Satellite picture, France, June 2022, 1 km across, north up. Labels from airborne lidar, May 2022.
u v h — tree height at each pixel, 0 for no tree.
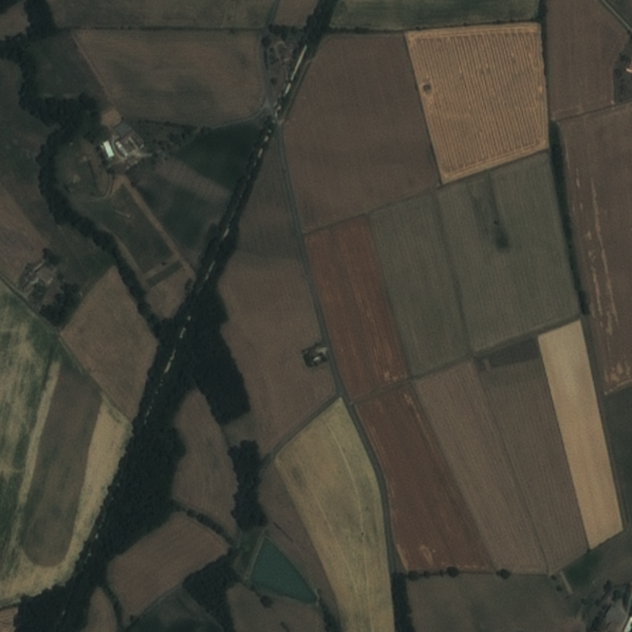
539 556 0
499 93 0
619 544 0
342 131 0
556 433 0
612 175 0
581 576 0
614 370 0
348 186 0
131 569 0
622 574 0
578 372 0
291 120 0
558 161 14
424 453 0
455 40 0
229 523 0
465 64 0
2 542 0
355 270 0
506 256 0
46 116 20
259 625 0
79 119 22
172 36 0
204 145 0
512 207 0
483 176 0
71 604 13
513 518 0
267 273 0
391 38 0
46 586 0
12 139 0
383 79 0
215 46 0
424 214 0
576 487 0
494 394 0
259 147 11
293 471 0
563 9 0
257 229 0
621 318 0
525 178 0
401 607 16
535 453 0
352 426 0
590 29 0
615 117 0
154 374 13
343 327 0
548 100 0
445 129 0
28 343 0
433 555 0
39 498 0
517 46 0
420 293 0
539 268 0
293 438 0
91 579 16
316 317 0
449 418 0
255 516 15
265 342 0
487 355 0
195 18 0
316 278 0
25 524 0
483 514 0
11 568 0
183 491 0
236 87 0
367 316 0
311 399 0
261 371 0
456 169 0
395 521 0
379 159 0
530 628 0
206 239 0
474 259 0
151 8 0
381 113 0
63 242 0
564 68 0
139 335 0
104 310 0
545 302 0
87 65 0
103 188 0
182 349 15
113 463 0
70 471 0
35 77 9
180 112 0
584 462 0
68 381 0
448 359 0
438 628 0
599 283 0
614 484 0
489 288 0
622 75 9
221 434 0
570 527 0
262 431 0
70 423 0
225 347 15
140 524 26
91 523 0
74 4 0
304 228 0
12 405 0
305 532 0
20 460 0
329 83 0
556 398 0
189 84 0
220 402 18
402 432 0
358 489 0
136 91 0
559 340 0
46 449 0
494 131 0
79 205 0
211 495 0
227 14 0
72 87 0
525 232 0
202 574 17
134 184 7
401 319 0
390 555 0
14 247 0
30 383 0
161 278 0
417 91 0
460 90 0
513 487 0
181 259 0
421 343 0
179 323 15
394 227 0
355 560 0
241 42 0
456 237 0
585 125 0
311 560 0
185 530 0
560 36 0
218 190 0
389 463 0
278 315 0
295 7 0
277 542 0
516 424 0
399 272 0
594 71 0
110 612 0
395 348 0
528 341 0
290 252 0
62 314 12
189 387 31
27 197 0
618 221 0
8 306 0
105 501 8
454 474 0
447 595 0
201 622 0
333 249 0
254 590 9
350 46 0
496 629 0
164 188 0
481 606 0
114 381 0
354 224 0
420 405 0
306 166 0
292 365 0
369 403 0
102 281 0
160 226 0
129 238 0
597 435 0
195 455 0
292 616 0
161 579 0
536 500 0
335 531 0
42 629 22
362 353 0
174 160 0
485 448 0
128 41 0
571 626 0
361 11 0
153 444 16
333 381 0
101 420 0
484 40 0
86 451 0
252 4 0
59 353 0
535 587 0
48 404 0
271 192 0
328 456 0
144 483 15
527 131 0
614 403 0
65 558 0
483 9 0
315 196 0
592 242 0
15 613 0
